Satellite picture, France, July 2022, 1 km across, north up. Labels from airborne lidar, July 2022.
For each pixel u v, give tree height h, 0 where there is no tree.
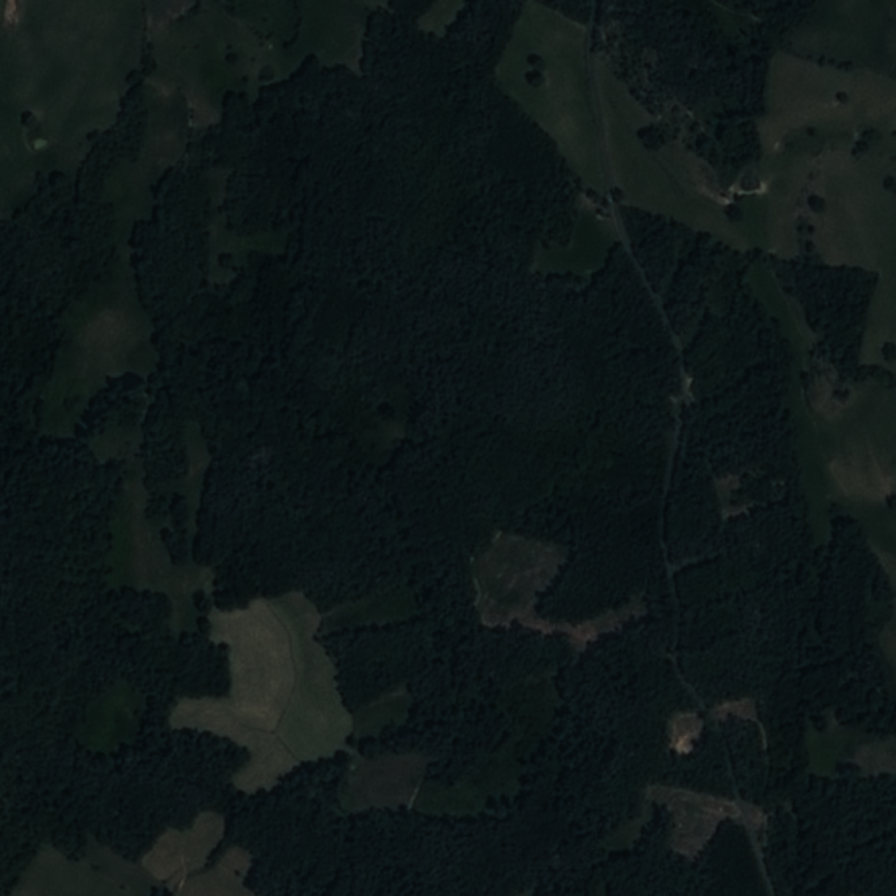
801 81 0
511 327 17
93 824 20
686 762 21
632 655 18
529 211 8
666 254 20
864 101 0
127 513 0
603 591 13
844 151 0
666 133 7
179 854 0
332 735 0
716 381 13
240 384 28
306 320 20
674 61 12
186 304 14
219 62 0
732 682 15
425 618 14
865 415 0
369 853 23
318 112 6
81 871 0
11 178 0
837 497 0
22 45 0
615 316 17
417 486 22
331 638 13
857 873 14
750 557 11
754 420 15
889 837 16
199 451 0
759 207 0
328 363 11
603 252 0
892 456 0
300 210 22
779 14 16
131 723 0
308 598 11
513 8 22
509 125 10
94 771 21
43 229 24
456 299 19
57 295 20
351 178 19
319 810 28
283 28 0
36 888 0
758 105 18
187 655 23
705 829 0
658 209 0
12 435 19
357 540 22
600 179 0
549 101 0
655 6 18
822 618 18
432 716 16
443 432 17
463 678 22
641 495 21
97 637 21
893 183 16
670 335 18
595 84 0
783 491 15
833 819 13
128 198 0
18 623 19
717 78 21
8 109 0
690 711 18
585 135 0
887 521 0
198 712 0
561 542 22
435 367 26
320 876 22
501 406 20
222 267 11
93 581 23
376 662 18
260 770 0
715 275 20
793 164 0
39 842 22
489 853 24
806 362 0
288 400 27
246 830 19
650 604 19
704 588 14
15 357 8
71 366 0
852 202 0
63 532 20
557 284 17
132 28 0
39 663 18
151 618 20
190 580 0
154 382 15
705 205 0
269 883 25
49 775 30
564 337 12
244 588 13
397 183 13
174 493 0
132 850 20
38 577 18
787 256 0
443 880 22
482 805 0
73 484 19
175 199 12
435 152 9
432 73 13
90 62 0
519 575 0
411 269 13
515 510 16
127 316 0
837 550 15
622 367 24
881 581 15
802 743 19
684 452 8
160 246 16
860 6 0
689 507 16
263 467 28
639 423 24
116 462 16
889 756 0
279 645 0
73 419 0
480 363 21
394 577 24
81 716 23
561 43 0
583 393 15
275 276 7
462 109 15
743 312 8
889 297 0
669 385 22
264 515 20
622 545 17
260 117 18
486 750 19
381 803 0
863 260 0
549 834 27
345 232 13
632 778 16
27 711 20
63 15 0
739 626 10
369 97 11
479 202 12
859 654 15
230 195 9
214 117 0
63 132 0
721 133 21
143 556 0
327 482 22
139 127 18
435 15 0
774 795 17
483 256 12
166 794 17
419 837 21
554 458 10
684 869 16
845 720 15
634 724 18
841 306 13
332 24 0
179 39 0
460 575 24
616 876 20
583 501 20
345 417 14
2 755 16
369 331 17
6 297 26
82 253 13
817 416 0
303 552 16
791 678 18
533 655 18
